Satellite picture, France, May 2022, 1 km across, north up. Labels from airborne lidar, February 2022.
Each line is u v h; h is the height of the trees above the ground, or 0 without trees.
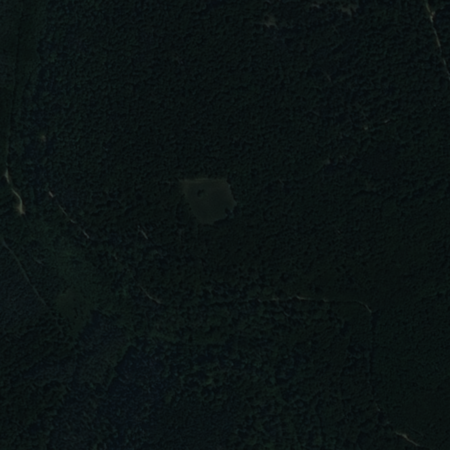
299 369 29
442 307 22
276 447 21
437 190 22
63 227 22
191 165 26
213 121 26
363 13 24
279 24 13
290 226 24
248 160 25
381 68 20
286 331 27
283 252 24
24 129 18
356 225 25
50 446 36
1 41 18
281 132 26
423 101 25
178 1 25
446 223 20
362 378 11
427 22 28
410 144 20
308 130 26
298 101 23
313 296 22
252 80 19
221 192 0
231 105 25
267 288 33
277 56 24
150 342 23
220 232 10
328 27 21
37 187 26
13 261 23
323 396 21
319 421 30
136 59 28
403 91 27
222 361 28
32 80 25
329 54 20
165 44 27
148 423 9
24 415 17
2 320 21
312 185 23
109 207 28
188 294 26
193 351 17
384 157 12
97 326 28
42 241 29
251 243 13
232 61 25
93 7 31
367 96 25
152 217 13
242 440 25
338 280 17
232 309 34
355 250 26
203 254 15
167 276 17
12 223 21
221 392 15
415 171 13
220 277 14
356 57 20
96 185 26
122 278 28
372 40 22
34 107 27
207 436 24
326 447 9
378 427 27
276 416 24
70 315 0
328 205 23
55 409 17
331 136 22
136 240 26
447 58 16
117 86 30
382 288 15
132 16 29
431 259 15
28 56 15
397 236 23
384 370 0
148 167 28
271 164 21
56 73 26
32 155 29
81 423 39
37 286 22
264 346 34
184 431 21
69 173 22
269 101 26
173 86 29
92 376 27
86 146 30
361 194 22
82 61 28
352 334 15
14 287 25
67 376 28
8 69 20
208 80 26
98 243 28
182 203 7
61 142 27
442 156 14
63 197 23
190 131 31
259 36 23
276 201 23
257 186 20
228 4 25
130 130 31
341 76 20
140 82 30
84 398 39
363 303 17
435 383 13
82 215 21
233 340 36
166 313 28
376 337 19
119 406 38
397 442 17
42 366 25
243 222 11
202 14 26
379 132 20
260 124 26
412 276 23
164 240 10
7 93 10
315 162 23
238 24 22
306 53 22
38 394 14
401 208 19
